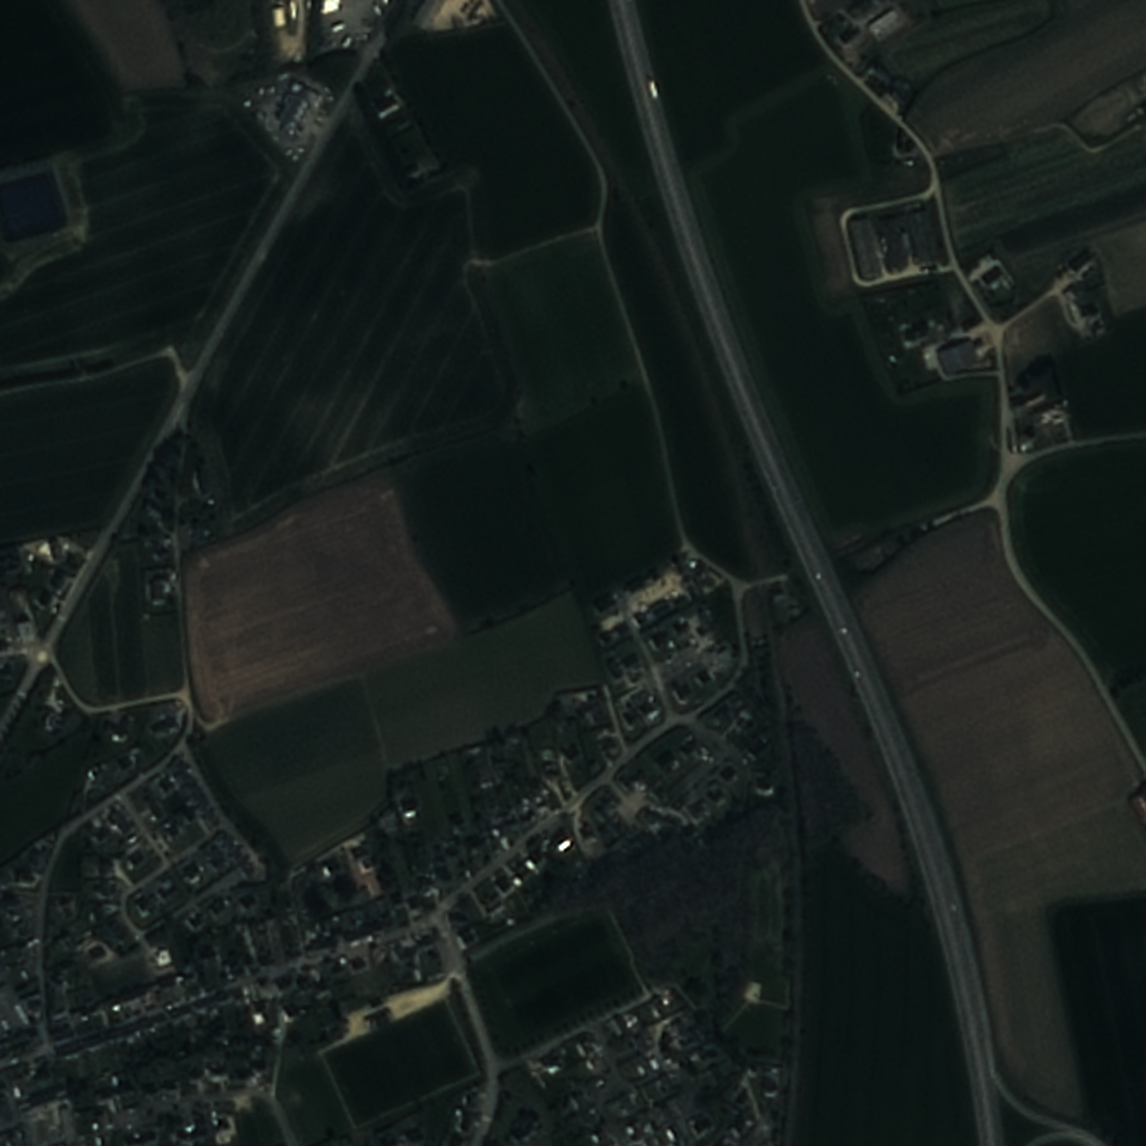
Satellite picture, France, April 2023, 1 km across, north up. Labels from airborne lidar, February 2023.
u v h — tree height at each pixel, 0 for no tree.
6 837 0
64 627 0
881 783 0
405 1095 0
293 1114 0
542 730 0
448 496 0
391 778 7
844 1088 0
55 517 0
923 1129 0
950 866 0
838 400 0
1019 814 0
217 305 0
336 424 0
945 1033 0
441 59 0
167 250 0
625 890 21
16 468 0
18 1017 0
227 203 0
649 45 0
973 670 0
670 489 0
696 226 0
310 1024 0
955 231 0
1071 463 0
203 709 0
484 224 0
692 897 21
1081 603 0
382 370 0
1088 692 0
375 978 0
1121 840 0
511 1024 0
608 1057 0
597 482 0
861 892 0
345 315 0
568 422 0
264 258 0
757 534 0
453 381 0
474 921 0
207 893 0
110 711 0
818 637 0
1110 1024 0
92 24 0
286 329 0
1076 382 0
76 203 0
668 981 15
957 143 0
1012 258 0
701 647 0
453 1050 0
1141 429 0
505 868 0
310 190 0
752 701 6
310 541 0
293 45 0
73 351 0
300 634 0
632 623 0
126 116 0
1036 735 0
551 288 0
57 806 0
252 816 0
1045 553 0
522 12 0
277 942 0
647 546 0
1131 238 0
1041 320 0
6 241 0
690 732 0
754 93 0
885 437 0
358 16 0
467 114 0
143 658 0
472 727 0
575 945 0
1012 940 0
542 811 0
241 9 0
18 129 0
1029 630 0
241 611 0
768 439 0
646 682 0
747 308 0
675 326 0
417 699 0
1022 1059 0
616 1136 0
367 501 0
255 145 0
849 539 0
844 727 0
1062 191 0
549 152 0
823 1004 0
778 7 0
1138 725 0
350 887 12
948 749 0
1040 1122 0
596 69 0
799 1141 0
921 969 0
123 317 0
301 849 0
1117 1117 0
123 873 0
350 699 0
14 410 0
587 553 0
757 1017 0
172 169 0
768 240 0
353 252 0
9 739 8
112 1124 0
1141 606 0
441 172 5
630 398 0
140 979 0
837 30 8
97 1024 0
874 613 0
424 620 0
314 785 0
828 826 14
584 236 0
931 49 0
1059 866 0
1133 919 0
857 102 0
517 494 0
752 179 0
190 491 0
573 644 0
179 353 0
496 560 0
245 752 0
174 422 0
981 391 0
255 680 0
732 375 0
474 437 0
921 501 0
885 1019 0
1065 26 0
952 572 0
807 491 0
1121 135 0
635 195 0
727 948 14
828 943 0
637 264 0
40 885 0
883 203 0
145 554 0
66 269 0
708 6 0
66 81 0
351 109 0
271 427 0
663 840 14
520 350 0
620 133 0
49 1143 0
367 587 0
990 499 0
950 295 0
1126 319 0
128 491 0
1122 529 0
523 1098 0
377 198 0
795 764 10
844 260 0
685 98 0
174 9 8
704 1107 12
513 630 0
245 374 0
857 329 0
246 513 0
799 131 0
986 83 0
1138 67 0
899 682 0
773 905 0
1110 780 0
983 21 0
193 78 8
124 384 0
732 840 18
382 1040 0
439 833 0
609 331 0
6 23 0
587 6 0
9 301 0
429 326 0
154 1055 7
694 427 0
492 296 0
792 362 0
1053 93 0
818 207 0
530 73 0
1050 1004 0
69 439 0
